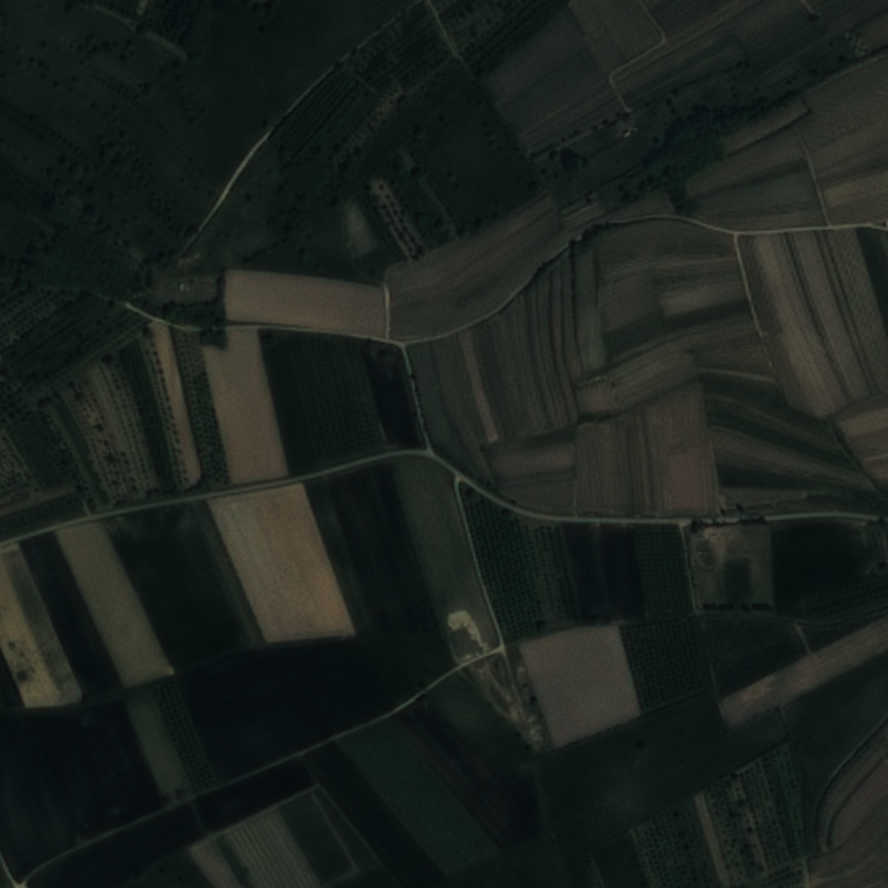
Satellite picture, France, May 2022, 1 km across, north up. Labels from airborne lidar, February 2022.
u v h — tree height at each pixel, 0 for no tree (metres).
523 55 0
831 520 0
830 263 0
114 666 0
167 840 0
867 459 0
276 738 0
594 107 0
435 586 0
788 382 0
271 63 0
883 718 0
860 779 0
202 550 0
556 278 0
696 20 0
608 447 0
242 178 0
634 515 0
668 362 0
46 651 0
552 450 0
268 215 0
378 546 0
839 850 0
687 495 0
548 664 0
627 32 0
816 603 0
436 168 0
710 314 0
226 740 0
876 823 0
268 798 0
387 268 0
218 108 0
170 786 0
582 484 0
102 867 0
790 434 0
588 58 0
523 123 0
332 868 0
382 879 0
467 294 0
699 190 0
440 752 0
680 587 0
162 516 0
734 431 0
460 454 0
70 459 7
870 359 0
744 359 0
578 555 0
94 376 0
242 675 0
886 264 0
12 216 0
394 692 0
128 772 0
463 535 0
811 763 0
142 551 0
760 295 0
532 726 0
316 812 0
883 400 0
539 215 0
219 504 0
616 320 0
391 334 0
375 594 0
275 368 0
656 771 0
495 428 0
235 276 0
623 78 0
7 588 0
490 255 0
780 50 0
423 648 0
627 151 0
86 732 0
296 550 0
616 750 0
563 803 0
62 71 0
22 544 0
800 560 0
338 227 0
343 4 0
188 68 0
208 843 0
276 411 0
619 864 0
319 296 0
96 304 12
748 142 0
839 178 0
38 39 0
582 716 0
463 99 0
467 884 0
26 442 0
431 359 0
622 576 0
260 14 9
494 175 0
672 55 0
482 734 0
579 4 0
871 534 0
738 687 0
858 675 0
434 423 0
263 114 0
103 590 0
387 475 0
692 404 0
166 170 0
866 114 0
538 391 0
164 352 0
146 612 0
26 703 0
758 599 0
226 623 0
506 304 0
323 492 0
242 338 0
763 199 0
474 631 0
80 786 0
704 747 0
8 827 0
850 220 0
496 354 0
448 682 0
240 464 0
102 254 17
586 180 0
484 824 0
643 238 0
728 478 0
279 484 0
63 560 0
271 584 0
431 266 0
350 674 0
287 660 0
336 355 0
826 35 0
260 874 0
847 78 0
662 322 0
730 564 0
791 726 0
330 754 0
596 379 0
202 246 0
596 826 0
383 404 0
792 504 0
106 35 0
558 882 0
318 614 0
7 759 0
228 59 0
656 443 0
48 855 0
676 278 0
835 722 0
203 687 0
